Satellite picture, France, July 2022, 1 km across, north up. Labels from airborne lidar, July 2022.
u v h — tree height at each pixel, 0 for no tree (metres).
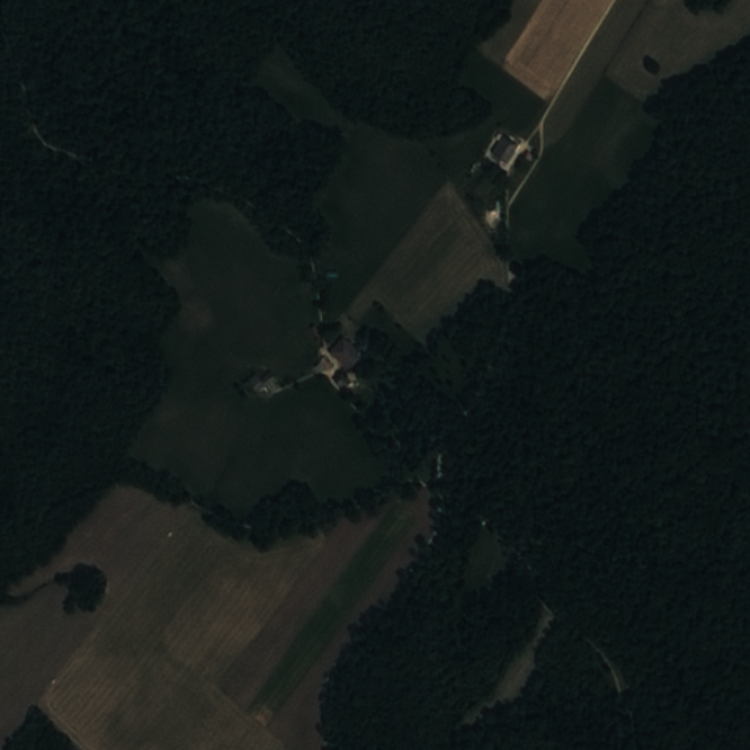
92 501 20
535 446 16
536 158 7
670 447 19
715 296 15
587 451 16
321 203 0
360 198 0
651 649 19
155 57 20
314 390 0
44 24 18
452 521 18
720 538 18
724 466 14
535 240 0
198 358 0
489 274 0
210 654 0
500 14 22
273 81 0
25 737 11
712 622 14
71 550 0
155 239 16
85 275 18
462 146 0
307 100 0
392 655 20
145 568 0
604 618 18
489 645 18
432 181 0
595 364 20
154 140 25
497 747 17
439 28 14
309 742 0
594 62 0
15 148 17
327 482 0
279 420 0
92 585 13
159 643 0
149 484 19
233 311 0
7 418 16
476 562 0
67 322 9
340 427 0
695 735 18
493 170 22
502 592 20
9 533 16
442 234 0
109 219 24
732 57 20
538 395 26
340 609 0
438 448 19
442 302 0
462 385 0
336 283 0
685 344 18
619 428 16
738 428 19
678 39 0
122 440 17
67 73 25
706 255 18
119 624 0
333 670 7
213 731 0
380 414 28
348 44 12
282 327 0
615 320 20
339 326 8
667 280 20
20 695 0
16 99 17
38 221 19
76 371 16
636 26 0
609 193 0
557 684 16
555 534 19
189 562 0
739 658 16
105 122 22
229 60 23
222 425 0
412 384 29
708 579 15
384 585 0
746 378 21
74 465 17
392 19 18
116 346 21
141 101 26
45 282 15
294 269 0
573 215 0
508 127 0
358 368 18
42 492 16
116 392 13
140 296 14
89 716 0
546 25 0
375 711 17
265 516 25
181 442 0
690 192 15
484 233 0
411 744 15
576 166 0
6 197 13
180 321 0
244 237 0
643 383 24
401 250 0
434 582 22
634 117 0
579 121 0
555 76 0
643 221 24
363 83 20
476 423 20
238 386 13
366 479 0
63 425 18
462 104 21
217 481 0
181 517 0
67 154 19
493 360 22
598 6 0
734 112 22
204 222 0
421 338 0
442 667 15
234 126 23
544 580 18
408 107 18
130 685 0
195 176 16
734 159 19
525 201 0
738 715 20
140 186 15
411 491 23
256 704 0
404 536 0
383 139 0
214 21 19
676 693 22
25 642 0
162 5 18
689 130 19
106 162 19
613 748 19
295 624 0
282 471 0
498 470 17
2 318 21
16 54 18
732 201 18
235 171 18
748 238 16
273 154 22
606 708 20
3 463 18
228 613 0
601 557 17
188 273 0
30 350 16
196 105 26
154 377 24
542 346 19
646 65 14
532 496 10
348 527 0
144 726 0
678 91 27
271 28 16
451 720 8
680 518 17
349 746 18
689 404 22
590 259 12
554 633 11
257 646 0
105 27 9
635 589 16
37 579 0
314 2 17
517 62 0
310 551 0
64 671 0
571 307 21
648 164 17
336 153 31
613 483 20
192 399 0
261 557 0
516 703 13
